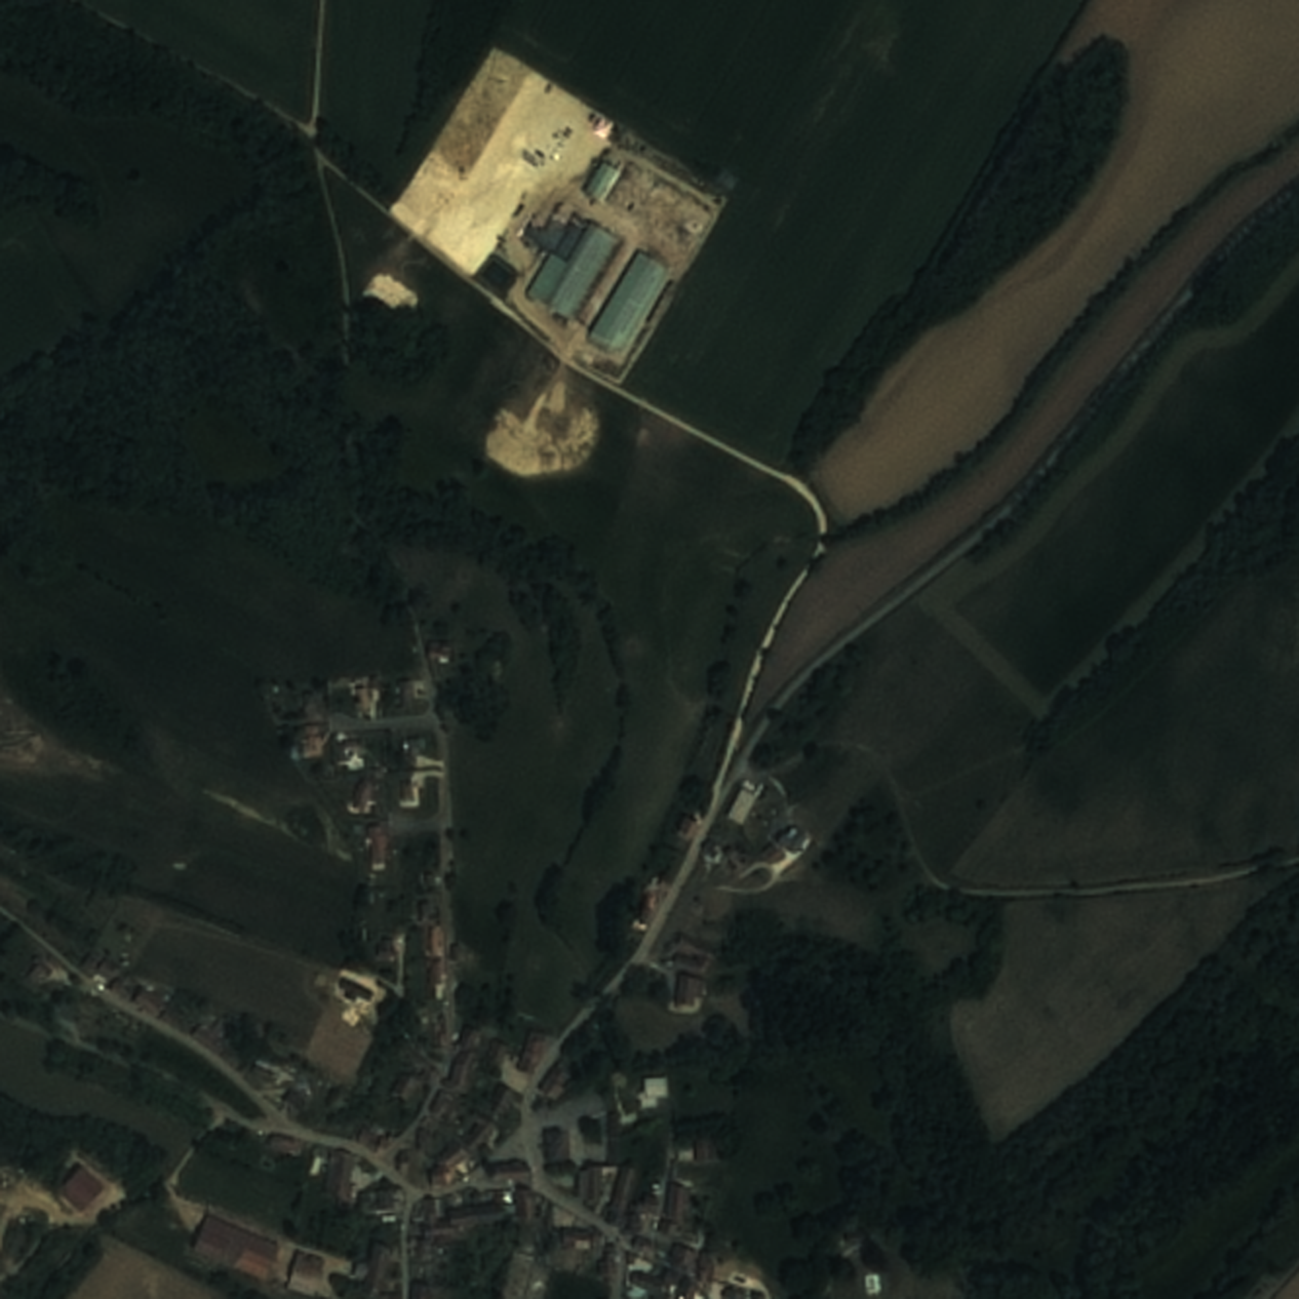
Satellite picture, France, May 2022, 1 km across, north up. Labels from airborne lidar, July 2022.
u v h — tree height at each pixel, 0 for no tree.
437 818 0
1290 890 10
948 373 0
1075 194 19
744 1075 16
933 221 0
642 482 0
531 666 0
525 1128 0
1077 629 0
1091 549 0
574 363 0
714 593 0
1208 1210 21
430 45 8
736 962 7
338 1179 0
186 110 14
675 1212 0
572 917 0
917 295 10
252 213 23
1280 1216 13
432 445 0
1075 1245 0
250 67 0
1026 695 0
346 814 0
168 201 0
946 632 0
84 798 0
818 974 20
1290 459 19
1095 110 27
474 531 19
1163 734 0
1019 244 8
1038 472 0
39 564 17
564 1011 0
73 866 5
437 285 0
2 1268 0
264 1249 0
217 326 32
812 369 0
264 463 0
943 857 0
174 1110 21
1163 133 0
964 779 0
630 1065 11
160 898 6
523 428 0
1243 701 0
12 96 0
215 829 0
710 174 0
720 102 0
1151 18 0
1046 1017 0
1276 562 16
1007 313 0
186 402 24
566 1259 0
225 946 0
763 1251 0
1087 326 10
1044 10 0
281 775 0
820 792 0
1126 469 0
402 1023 12
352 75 0
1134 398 16
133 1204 12
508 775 0
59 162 0
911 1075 21
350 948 10
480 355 0
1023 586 0
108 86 15
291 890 0
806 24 0
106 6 0
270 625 0
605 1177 0
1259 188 0
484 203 0
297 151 21
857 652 9
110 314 0
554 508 0
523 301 0
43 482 15
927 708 0
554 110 0
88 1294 0
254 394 27
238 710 0
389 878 0
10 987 6
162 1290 0
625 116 0
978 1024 0
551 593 13
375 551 16
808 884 0
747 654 0
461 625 0
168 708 0
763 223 0
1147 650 11
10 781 0
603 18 0
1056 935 0
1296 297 0
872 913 0
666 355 0
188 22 0
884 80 0
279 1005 0
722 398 0
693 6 0
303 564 23
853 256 0
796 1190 14
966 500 0
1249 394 0
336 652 0
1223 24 0
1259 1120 26
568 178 0
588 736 0
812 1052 25
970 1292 30
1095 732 0
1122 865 0
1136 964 0
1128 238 0
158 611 9
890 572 0
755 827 0
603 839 0
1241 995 16
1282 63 0
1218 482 0
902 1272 0
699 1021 0
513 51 0
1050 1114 10
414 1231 0
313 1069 8
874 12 0
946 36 0
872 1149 22
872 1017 24
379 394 0
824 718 8
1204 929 0
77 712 6
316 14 0
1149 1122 17
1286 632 0
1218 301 12
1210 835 0
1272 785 0
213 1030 0
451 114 0
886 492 0
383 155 0
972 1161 18
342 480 27
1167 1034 16
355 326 13
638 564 0
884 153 0
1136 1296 20
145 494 20
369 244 0
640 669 0
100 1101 0
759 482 0
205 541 0
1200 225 0
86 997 7
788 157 0
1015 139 18
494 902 0
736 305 0
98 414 24
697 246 0
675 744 0
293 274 20
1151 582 0
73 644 0
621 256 0
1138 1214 22
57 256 0
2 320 0
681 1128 11
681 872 0
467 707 19
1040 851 0
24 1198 0
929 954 0
